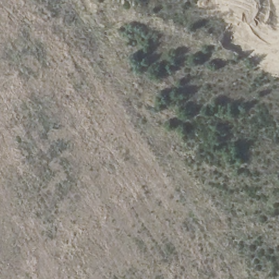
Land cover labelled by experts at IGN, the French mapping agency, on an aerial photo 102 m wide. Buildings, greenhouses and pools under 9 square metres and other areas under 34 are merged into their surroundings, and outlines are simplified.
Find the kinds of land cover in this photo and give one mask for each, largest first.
<instances>
[{"label":"agricultural land","instance_id":"1","mask_svg":"<svg viewBox=\"0 0 279 279\"><path fill-rule=\"evenodd\" d=\"M70 2L72 8L80 14V19L75 24H68L63 23L60 17H52L47 9L48 0H0V279H245L247 266L238 248H233L229 242L219 243L223 236H218V233L228 232L229 228L225 211L216 207L211 197L203 193L202 182L195 179L197 166H185L186 157L195 158L196 155L198 146L203 144L204 138L199 142H195L194 139L183 141V133L169 129V120L175 118L173 111L165 109L160 112H149L146 109L147 106L155 107L157 96L165 88L166 83L162 82L149 80L150 74L147 72L136 73L135 64L130 61L133 54L141 50V45L129 46V39L119 33V28L124 23L134 22L135 10L125 9L124 0H63Z\"/></svg>","mask_w":279,"mask_h":279},{"label":"herbaceous vegetation","instance_id":"2","mask_svg":"<svg viewBox=\"0 0 279 279\"><path fill-rule=\"evenodd\" d=\"M47 9L52 17H60L63 23L68 24H75L80 19V14L72 8L70 2L63 0H48ZM198 0H124L125 9L135 10L134 22L159 29L163 34L160 41L148 39L147 52L141 50L133 54L135 60H145L151 65L161 58L163 53L173 52L175 57L171 71L175 73L162 78V82L166 83L165 88L183 87L180 108L185 110L186 117H194L199 113L201 107L196 102L201 99L205 100L203 106L206 107H214L215 102L221 106L231 107V119H221L218 122L216 136L222 148L228 145L235 147L236 156L240 160L222 169L207 165L196 155L195 158L186 157L185 166H197L195 179L202 182L203 193L211 197L216 207L225 211L229 228L228 232L218 233V236H223L219 243L229 242L233 248H238L247 266L245 279H279V77L259 68V63L263 59L259 54L252 57L251 51L247 50L238 57L235 51L223 47L221 41L227 33L226 21L217 16L205 19L203 14L208 8L197 7Z\"/></svg>","mask_w":279,"mask_h":279},{"label":"brushwood","instance_id":"3","mask_svg":"<svg viewBox=\"0 0 279 279\"><path fill-rule=\"evenodd\" d=\"M119 33L129 39V46L141 45V50L147 52L148 39L160 41L163 34L159 29L134 22L124 23L119 28ZM175 57L173 52L163 53L161 58L151 65L145 60H135L133 54L130 61L135 64L136 73L147 72L150 74L149 80L162 82V78L175 73L171 71ZM183 87L165 88L157 96L155 107L147 106L146 109L149 112H160L165 109L173 111L175 118L169 120V129L183 133V141L194 139L195 142H199L204 138L203 144L198 146L196 155L207 165L222 169L240 160L236 156L235 147L228 145L222 148L216 136L218 122L221 119H231V107L221 106L215 102L214 107H206L203 106L205 100L201 99L196 102L201 107L199 113L194 117H186L185 110L180 108Z\"/></svg>","mask_w":279,"mask_h":279},{"label":"pervious surface","instance_id":"4","mask_svg":"<svg viewBox=\"0 0 279 279\"><path fill-rule=\"evenodd\" d=\"M197 7L208 8L203 14L205 19L217 16L226 21L227 33L221 41L223 47L235 51L238 57L247 50L251 51L252 57L259 54L263 59L259 63V68L279 77V0H198Z\"/></svg>","mask_w":279,"mask_h":279}]
</instances>
